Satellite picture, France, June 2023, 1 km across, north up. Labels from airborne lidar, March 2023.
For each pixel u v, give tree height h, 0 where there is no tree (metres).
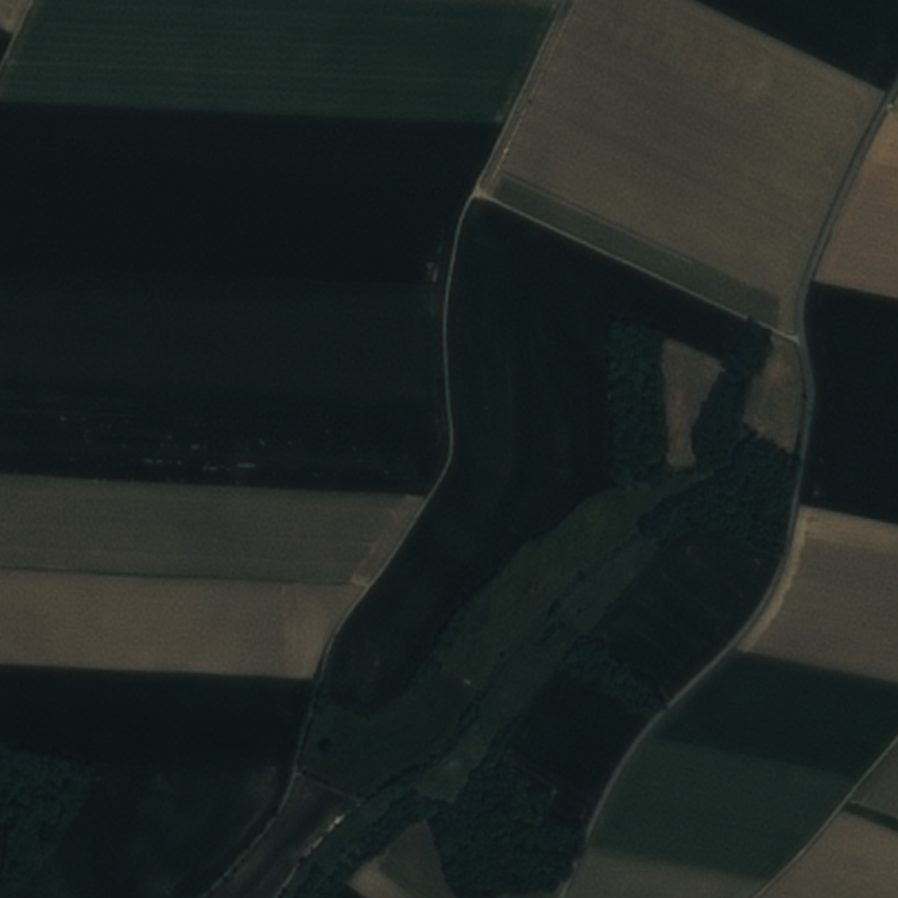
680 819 0
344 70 0
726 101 0
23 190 0
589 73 0
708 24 0
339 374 0
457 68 0
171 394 0
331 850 0
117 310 0
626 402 9
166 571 0
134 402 0
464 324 0
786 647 0
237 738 0
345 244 0
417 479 0
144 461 0
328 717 0
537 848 25
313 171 0
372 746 0
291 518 0
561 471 0
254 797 0
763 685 0
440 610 0
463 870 21
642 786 0
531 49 0
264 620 0
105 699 0
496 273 0
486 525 0
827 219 0
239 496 0
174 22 0
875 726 0
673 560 0
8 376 0
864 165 0
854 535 0
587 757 0
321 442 0
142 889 0
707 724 0
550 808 0
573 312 0
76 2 0
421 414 0
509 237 0
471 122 0
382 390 0
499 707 0
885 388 0
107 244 0
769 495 22
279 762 0
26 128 0
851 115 0
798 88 0
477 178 0
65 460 0
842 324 0
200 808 0
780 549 16
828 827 0
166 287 0
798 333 0
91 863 0
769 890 0
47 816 21
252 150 0
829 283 0
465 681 0
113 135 0
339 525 0
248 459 0
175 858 0
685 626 0
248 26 0
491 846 24
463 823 20
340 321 0
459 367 0
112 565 0
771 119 0
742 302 0
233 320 0
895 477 0
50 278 0
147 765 0
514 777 19
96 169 0
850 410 0
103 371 0
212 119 0
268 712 0
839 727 0
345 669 0
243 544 0
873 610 0
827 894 0
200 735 0
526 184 0
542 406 0
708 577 0
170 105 0
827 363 0
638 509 0
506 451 0
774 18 0
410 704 0
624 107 0
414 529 0
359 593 0
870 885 0
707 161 0
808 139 0
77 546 0
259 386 0
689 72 0
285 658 0
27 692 0
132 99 0
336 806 0
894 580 0
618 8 0
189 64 0
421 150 0
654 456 18
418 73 0
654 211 0
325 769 0
